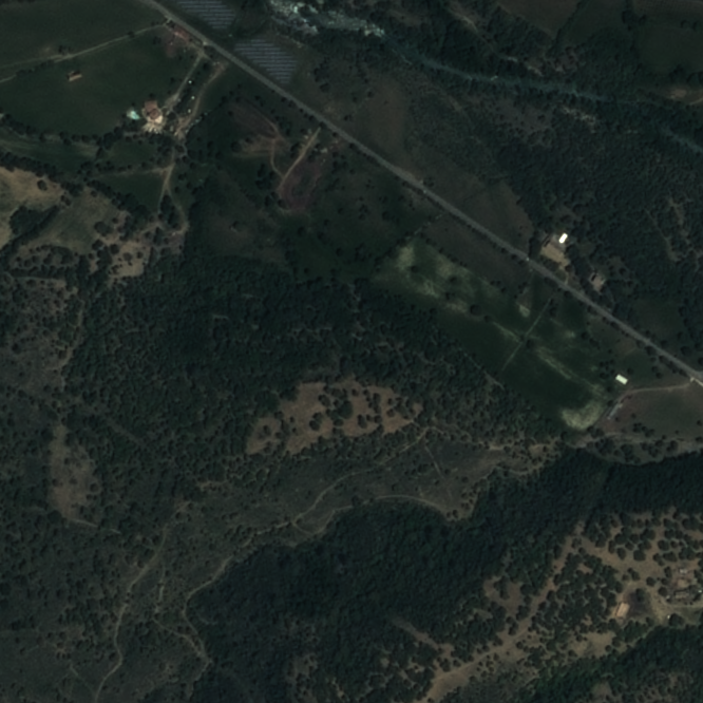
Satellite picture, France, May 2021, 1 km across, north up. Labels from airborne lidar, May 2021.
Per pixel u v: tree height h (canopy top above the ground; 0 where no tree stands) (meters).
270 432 8
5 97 0
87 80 0
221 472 11
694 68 0
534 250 12
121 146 0
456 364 9
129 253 10
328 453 10
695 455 16
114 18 0
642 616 0
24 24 0
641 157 11
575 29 0
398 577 10
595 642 0
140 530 10
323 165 0
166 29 0
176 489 12
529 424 11
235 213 0
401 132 0
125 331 8
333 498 0
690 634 8
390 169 0
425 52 15
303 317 11
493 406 12
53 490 0
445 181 0
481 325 0
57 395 9
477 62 18
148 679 0
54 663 0
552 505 6
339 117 0
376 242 0
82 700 0
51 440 10
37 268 11
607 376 7
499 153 8
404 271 0
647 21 13
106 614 8
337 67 0
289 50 0
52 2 0
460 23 13
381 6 8
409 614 9
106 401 9
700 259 6
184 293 9
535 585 13
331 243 6
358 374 12
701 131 18
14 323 10
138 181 0
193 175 0
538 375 0
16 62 0
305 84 0
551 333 0
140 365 9
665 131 11
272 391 7
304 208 0
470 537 8
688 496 12
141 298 10
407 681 10
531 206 8
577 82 16
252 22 0
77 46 0
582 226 13
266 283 14
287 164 0
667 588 8
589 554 9
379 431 8
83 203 0
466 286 0
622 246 11
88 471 0
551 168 8
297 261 13
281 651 8
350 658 9
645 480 13
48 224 8
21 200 0
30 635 0
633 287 12
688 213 8
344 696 9
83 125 0
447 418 7
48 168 11
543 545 9
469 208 0
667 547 9
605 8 0
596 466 14
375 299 14
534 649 10
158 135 7
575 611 12
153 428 9
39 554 7
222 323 10
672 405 0
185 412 9
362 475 0
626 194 9
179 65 0
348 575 7
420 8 11
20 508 8
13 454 8
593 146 7
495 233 0
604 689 0
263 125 0
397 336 11
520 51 11
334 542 28
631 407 0
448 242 0
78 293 7
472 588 8
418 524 9
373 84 0
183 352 12
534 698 7
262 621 8
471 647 11
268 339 13
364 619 7
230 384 11
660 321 0
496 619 13
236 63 0
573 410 0
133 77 0
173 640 8
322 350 14
